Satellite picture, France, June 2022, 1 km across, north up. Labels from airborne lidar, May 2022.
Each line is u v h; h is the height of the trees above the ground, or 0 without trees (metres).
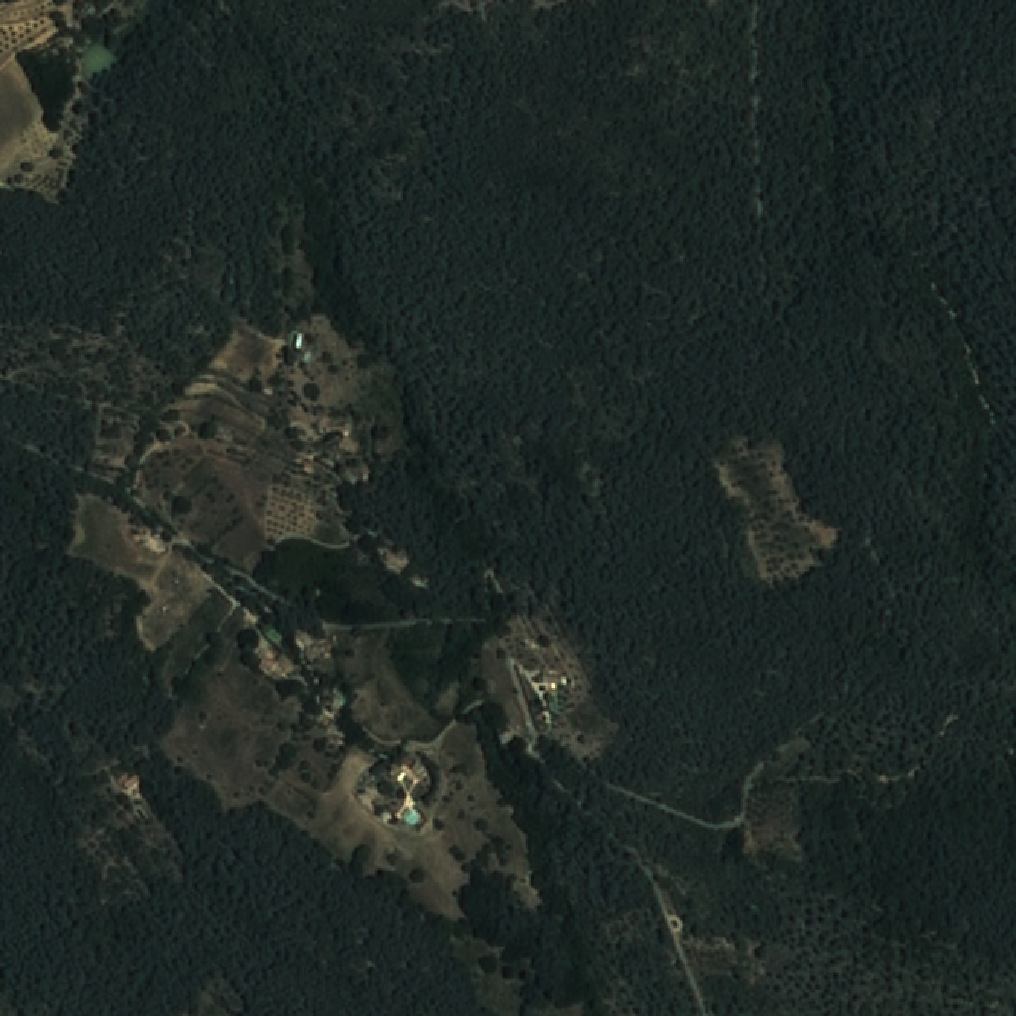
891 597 15
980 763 19
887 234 22
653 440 16
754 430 19
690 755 11
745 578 13
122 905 6
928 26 15
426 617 19
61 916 20
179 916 21
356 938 17
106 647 10
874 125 8
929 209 15
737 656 15
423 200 16
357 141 20
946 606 14
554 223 10
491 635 11
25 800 9
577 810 18
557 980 21
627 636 14
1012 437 10
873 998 6
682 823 11
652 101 9
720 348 20
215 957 16
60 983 18
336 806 0
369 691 0
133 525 10
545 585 12
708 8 17
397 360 19
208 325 13
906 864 11
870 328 22
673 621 13
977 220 17
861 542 18
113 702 17
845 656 19
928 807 16
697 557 15
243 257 17
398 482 20
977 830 19
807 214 20
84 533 0
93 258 18
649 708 11
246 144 13
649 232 16
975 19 20
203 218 16
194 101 9
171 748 0
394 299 15
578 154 12
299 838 18
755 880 10
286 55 9
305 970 19
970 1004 14
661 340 8
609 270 15
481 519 15
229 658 0
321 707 11
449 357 16
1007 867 19
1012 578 16
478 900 13
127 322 16
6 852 20
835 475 16
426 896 0
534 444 15
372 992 18
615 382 12
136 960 14
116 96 17
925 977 17
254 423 0
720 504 17
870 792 15
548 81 10
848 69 22
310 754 0
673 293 14
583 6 12
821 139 20
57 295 16
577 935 7
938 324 7
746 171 16
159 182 14
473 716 12
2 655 8
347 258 15
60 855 17
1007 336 8
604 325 16
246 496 0
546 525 15
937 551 15
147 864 6
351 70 13
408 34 17
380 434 19
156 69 15
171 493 7
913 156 15
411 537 14
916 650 21
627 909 12
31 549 12
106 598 7
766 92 21
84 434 13
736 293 17
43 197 17
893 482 17
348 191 14
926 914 13
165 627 0
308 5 7
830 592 17
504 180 14
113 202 14
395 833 0
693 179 14
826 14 17
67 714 13
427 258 11
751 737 16
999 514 8
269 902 18
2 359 11
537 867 10
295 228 12
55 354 13
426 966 22
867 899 11
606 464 10
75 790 18
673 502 18
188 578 0
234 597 6
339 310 19
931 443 23
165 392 9
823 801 6
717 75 12
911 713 20
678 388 18
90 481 19
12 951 16
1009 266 16
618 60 19
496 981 0
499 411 16
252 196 17
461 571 22
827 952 9
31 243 17
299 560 0
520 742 10
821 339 23
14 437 18
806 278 20
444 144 15
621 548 14
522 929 21
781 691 11
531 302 12
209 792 10
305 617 24
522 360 11
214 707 0
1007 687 19
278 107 24
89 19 10
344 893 22
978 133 18
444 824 8
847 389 19
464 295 11
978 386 7
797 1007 10
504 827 0
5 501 16
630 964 11
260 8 7
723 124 12
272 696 0
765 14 9
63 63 12
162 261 16
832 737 13
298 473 6
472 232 11
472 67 13
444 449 13
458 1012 18
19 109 0
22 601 20
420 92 15
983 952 14
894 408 20
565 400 16
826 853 12
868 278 23
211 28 6
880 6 18
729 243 15
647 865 7
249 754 0
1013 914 17
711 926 6
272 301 14
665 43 11
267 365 0
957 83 10
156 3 0
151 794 16
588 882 8
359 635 11
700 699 10
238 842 20
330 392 0
